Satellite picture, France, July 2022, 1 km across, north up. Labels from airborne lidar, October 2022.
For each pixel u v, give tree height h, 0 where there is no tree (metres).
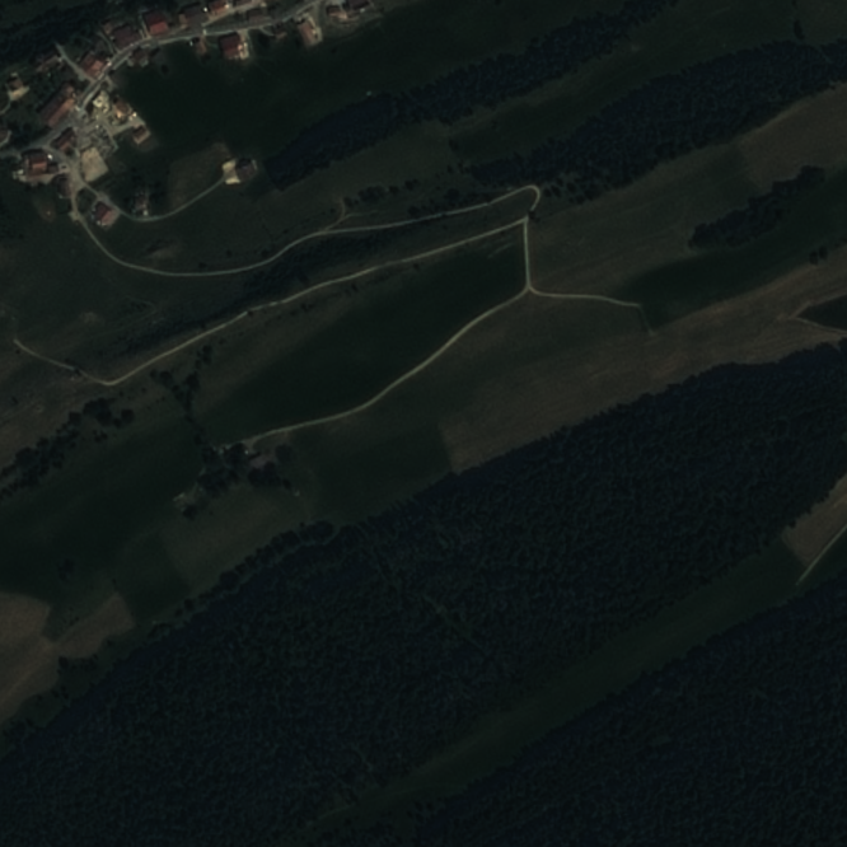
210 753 31
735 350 0
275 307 0
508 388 0
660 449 25
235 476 16
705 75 20
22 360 0
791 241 0
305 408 0
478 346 0
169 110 0
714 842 24
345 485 0
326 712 27
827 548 0
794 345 0
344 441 0
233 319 0
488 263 0
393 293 0
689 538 21
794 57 22
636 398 0
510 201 0
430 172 0
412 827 0
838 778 25
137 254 0
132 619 0
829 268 0
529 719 0
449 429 0
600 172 10
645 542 27
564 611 24
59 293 0
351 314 0
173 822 26
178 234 0
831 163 0
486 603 26
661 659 0
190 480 0
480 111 0
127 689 21
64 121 0
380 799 0
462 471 0
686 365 0
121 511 0
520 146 0
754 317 0
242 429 0
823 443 22
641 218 0
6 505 0
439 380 0
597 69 0
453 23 0
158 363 0
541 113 0
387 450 0
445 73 0
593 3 0
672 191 0
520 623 30
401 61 0
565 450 16
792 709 27
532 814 16
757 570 0
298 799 14
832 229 0
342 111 0
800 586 0
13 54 9
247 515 0
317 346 0
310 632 9
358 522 0
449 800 0
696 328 0
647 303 0
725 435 21
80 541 0
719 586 0
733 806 25
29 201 0
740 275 0
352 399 0
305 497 0
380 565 7
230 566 0
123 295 0
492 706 22
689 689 16
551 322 0
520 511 21
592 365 0
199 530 0
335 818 0
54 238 0
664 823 27
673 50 0
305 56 0
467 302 0
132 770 20
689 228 0
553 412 0
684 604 0
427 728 26
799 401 28
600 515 23
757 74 18
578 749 21
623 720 20
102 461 0
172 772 30
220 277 0
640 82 0
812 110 0
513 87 17
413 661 25
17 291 0
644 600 13
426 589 25
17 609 0
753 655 23
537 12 0
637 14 6
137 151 0
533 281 0
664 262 0
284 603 26
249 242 0
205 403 0
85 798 25
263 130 0
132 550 0
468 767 0
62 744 27
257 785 31
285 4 0
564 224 0
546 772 22
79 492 0
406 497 0
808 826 26
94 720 32
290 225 0
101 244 0
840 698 10
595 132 18
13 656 0
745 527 11
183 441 0
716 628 0
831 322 0
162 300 0
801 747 18
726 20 0
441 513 24
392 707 24
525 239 0
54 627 0
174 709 23
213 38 0
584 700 0
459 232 0
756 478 13
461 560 20
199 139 0
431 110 11
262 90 0
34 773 27
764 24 0
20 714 0
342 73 0
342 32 0
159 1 18
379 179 0
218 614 24
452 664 32
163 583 0
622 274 0
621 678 0
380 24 0
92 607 0
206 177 0
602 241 0
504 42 0
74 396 0
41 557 0
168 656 23
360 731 23
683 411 27
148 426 0
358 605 24
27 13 0
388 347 0
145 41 0
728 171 0
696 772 31
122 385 0
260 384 0
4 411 0
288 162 21
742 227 22
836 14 0
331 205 0
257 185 0
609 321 0
